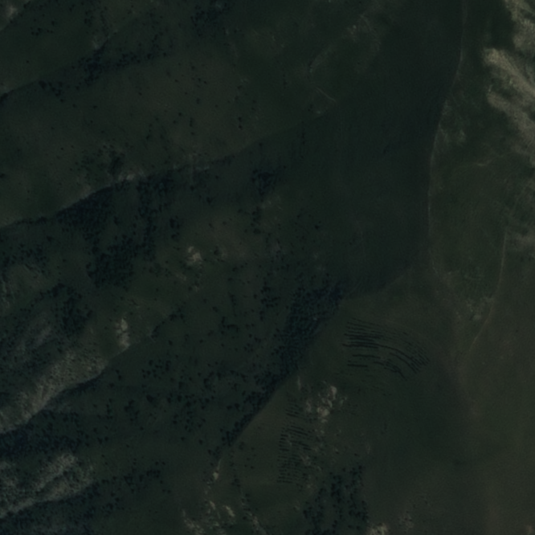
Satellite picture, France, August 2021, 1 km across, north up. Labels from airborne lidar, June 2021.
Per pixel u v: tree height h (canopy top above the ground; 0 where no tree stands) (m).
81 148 0
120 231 0
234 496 0
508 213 0
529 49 0
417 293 0
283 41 0
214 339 0
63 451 10
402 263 0
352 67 0
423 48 0
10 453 7
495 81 0
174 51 0
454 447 0
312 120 0
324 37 0
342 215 0
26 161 0
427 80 0
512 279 0
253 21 0
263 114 0
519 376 0
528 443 0
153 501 0
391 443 0
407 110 0
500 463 0
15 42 0
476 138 0
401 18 0
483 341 0
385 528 0
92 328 0
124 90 0
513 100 0
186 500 0
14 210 0
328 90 0
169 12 0
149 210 7
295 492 0
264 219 0
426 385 0
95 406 6
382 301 0
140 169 0
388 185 0
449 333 0
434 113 0
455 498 0
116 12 0
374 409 0
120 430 0
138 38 0
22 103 0
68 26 0
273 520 0
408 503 0
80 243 0
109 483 7
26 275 0
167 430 0
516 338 0
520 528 0
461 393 0
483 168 0
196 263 0
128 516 0
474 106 0
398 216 0
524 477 0
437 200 0
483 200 0
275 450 0
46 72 0
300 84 0
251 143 0
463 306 0
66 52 0
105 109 0
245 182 0
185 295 0
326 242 0
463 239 0
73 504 7
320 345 0
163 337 0
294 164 0
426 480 0
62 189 0
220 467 0
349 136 0
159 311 0
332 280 0
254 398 8
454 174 0
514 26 0
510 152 0
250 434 0
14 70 0
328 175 0
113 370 0
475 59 0
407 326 0
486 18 0
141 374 0
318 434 0
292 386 0
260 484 0
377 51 0
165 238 0
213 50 0
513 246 0
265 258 0
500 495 0
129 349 0
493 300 0
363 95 0
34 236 0
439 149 0
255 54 0
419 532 0
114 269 6
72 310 7
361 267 0
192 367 0
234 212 0
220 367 0
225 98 0
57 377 0
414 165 0
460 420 0
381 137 0
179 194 0
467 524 0
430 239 0
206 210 0
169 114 0
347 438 0
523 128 0
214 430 0
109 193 6
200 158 0
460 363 0
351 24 0
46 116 0
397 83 0
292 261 0
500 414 0
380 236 0
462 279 0
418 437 0
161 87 0
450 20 0
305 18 0
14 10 0
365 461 0
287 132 0
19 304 0
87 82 6
